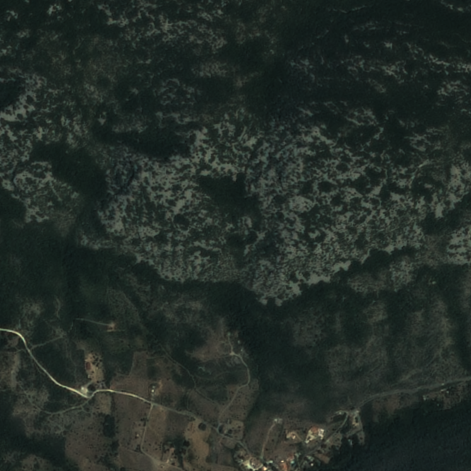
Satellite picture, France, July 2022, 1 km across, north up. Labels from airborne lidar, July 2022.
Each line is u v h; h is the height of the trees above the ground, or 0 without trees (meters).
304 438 0
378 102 6
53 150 9
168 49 6
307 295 8
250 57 11
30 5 6
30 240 6
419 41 6
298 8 6
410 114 6
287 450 0
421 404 8
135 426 0
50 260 6
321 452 7
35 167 6
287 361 6
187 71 5
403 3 6
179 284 6
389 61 5
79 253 10
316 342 6
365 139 6
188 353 0
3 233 8
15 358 0
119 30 6
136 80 6
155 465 0
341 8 6
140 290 7
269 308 10
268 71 11
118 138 9
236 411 0
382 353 0
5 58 9
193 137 6
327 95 6
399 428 14
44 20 6
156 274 7
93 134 6
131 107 10
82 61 7
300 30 9
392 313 7
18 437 10
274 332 6
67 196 9
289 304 8
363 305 7
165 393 0
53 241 10
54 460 10
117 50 6
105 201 6
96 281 8
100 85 6
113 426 6
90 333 8
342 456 11
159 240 7
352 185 7
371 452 7
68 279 10
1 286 7
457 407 9
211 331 0
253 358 10
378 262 7
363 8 6
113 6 6
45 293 7
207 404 0
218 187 7
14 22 8
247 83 7
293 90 6
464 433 7
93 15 7
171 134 8
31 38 9
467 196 6
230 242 13
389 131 7
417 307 7
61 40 8
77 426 0
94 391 8
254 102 7
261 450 0
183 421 0
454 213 9
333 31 6
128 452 0
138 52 6
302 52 8
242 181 7
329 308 7
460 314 7
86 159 7
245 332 9
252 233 8
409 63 6
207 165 7
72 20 8
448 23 6
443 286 6
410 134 6
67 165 11
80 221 8
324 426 0
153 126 7
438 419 11
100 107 12
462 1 6
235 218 9
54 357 5
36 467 7
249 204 7
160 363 0
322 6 6
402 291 8
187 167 6
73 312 9
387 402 0
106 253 6
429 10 5
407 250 9
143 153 7
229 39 7
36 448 8
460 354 6
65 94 6
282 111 6
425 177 8
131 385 0
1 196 11
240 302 11
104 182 9
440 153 7
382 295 8
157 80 7
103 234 6
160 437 0
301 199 0
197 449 0
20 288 7
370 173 7
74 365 0
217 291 7
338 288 8
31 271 7
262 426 0
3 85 10
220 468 0
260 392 6
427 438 6
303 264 8
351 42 6
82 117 7
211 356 0
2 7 7
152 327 7
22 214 6
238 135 6
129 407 0
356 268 6
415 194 8
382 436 9
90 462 6
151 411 0
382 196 8
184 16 6
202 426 8
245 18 7
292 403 0
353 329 6
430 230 9
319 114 6
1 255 7
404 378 0
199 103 5
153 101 7
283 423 0
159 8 5
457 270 6
